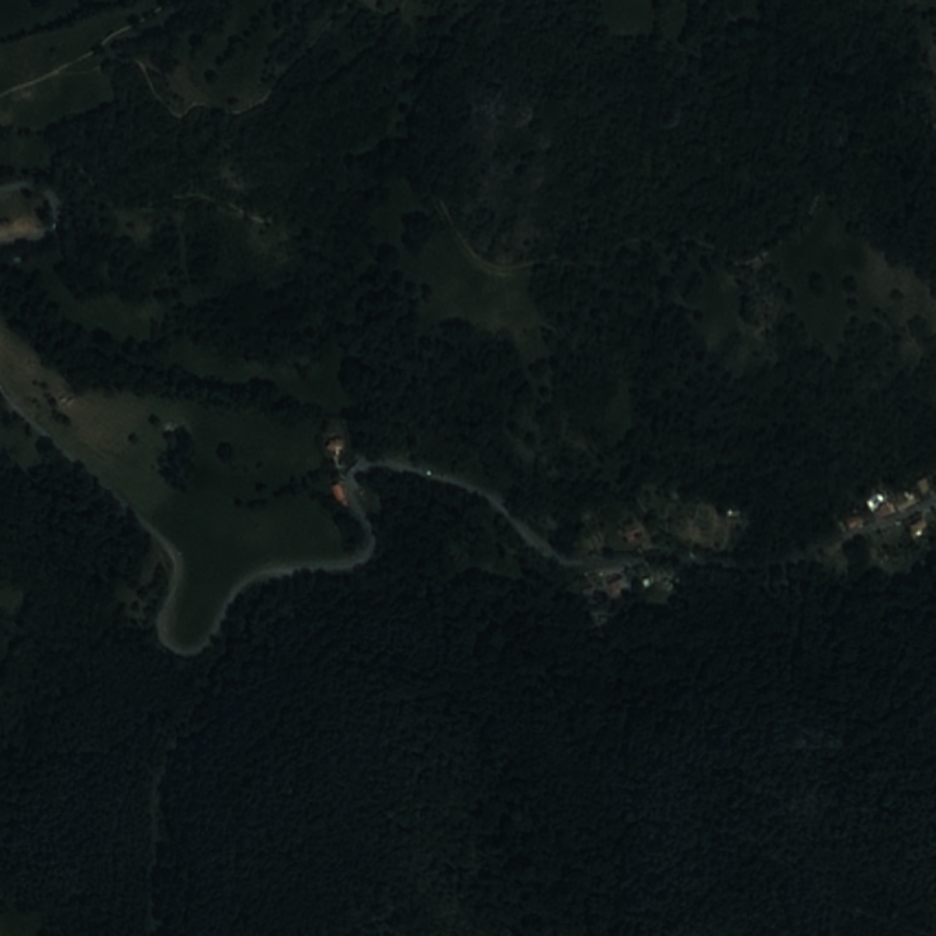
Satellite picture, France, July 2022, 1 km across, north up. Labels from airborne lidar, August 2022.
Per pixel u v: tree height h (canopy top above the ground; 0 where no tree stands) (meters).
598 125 7
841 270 0
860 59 13
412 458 9
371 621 22
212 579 0
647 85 14
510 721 36
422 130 23
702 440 12
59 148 10
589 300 8
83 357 28
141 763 33
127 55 12
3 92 0
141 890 31
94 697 34
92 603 21
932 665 22
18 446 0
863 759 26
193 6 15
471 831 22
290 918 18
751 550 15
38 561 23
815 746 17
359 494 0
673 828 33
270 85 7
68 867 28
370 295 7
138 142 13
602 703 21
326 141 21
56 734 39
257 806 15
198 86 0
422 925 18
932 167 19
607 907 36
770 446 12
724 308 0
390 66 19
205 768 30
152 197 13
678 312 18
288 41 6
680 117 11
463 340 14
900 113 22
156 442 0
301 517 0
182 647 0
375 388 6
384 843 16
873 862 22
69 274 14
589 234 10
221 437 0
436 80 19
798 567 6
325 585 22
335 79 13
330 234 23
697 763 30
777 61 13
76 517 24
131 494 0
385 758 16
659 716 15
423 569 17
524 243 6
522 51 11
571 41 10
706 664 25
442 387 19
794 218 9
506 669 28
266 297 13
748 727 24
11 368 0
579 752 32
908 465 18
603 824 29
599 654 32
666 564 17
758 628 27
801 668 31
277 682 31
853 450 14
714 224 13
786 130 13
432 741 17
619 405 0
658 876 18
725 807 23
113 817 34
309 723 21
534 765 29
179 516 0
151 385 18
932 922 14
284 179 10
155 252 8
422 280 0
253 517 0
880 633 30
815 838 7
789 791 15
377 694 13
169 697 25
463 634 30
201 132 12
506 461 20
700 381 15
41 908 15
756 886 24
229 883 19
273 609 25
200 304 6
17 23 0
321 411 9
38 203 0
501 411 23
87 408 0
